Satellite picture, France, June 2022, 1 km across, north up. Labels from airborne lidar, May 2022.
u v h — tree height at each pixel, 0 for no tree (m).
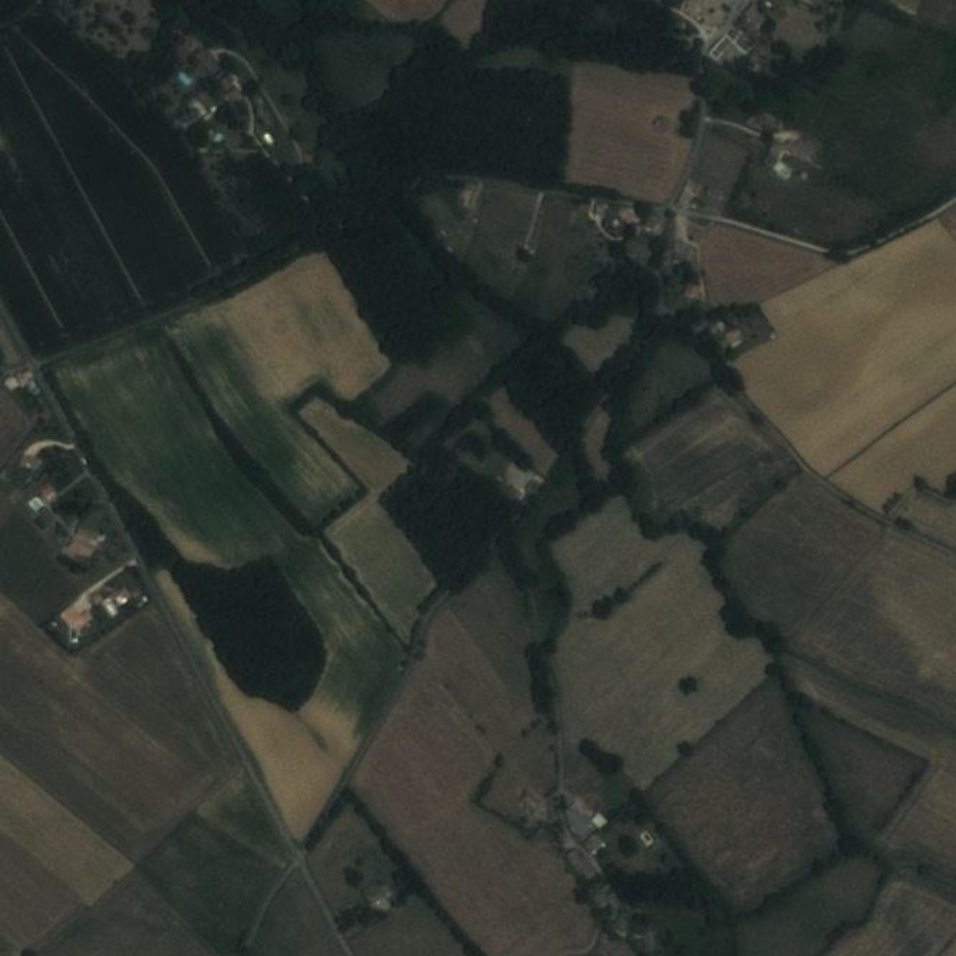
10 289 0
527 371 11
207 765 0
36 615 0
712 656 0
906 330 0
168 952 0
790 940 0
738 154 0
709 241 0
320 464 0
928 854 0
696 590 0
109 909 0
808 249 0
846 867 0
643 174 0
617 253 19
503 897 0
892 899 0
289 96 12
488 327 0
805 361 0
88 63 0
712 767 0
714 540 18
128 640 0
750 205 0
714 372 12
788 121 0
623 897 15
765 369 0
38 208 0
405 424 10
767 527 0
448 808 0
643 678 0
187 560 12
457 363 0
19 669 0
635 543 0
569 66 0
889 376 0
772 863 0
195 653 0
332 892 0
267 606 17
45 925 0
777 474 0
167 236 0
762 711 0
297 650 13
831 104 0
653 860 0
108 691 0
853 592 0
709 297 0
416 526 13
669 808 0
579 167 0
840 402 0
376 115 16
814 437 0
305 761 0
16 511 0
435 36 21
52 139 0
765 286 0
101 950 0
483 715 0
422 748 0
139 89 13
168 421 0
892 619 0
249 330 0
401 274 19
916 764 0
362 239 20
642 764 0
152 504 0
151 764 0
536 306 0
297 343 0
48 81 0
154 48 10
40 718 0
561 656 0
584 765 0
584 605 0
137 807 0
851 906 0
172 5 10
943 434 0
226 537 0
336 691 0
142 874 0
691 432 0
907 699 0
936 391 0
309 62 12
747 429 0
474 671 0
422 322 18
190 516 0
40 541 0
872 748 0
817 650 0
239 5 16
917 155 0
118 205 0
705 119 0
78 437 9
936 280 0
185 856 0
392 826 0
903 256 0
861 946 0
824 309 0
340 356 0
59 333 0
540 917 0
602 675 0
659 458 0
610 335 0
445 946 0
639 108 0
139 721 0
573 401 14
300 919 0
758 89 13
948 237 0
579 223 0
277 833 0
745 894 0
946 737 0
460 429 17
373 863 0
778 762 0
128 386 0
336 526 0
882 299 0
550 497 0
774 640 13
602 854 14
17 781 0
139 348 0
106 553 10
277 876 0
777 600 0
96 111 0
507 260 0
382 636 0
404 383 0
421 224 22
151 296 0
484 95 18
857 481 0
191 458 0
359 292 15
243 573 13
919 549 0
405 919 0
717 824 0
